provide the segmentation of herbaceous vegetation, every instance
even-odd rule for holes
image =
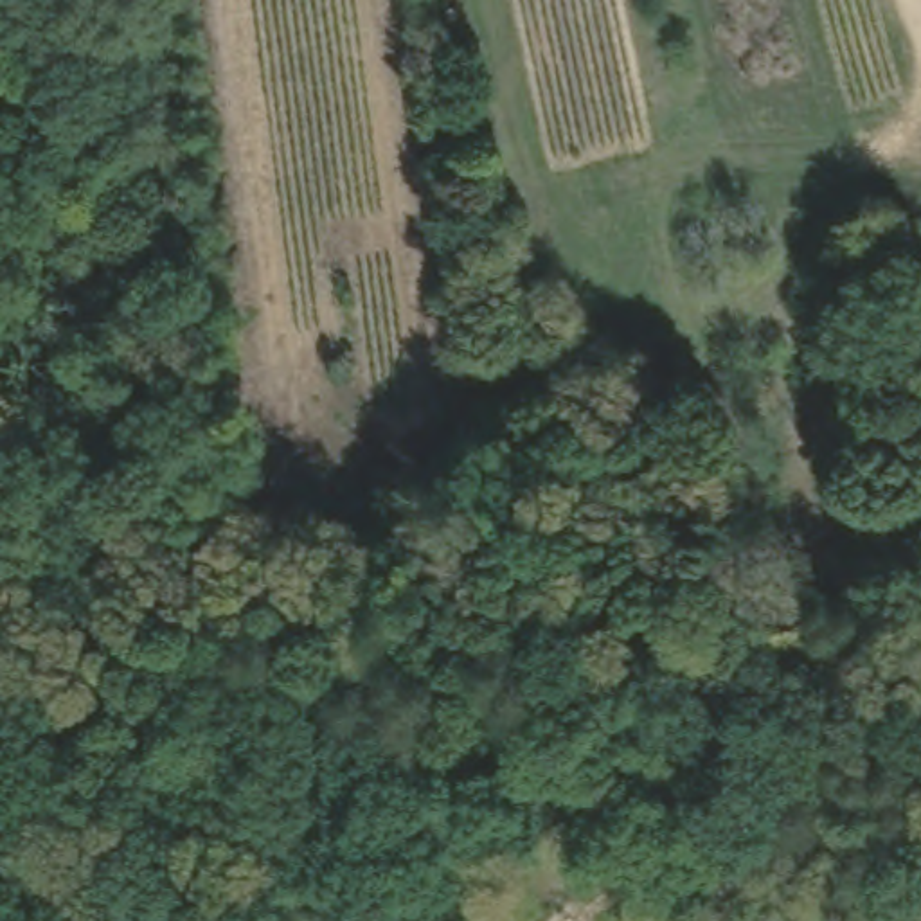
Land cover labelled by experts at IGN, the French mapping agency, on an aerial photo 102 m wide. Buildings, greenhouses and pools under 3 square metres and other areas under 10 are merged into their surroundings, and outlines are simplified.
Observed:
[[[381,385],[374,385],[367,399],[360,403],[356,435],[342,450],[342,461],[327,461],[324,443],[295,439],[291,425],[277,425],[259,410],[255,425],[266,453],[259,461],[255,489],[241,496],[245,511],[266,522],[288,518],[309,529],[335,522],[353,532],[356,547],[381,547],[399,525],[399,507],[392,507],[392,493],[421,496],[432,493],[439,482],[453,482],[464,453],[496,443],[496,428],[486,417],[511,425],[511,414],[518,407],[550,403],[550,389],[558,381],[583,374],[612,374],[630,353],[640,353],[640,367],[655,374],[669,363],[694,367],[698,360],[691,338],[702,331],[709,335],[709,324],[720,309],[788,324],[791,313],[781,302],[777,284],[784,277],[788,259],[795,266],[806,263],[806,252],[831,209],[845,205],[860,191],[899,198],[907,191],[921,201],[921,165],[892,158],[885,165],[867,148],[856,144],[849,130],[849,112],[842,108],[835,86],[835,68],[824,43],[817,0],[777,0],[777,18],[766,29],[752,29],[748,47],[741,54],[730,54],[716,40],[720,25],[734,22],[727,0],[669,0],[673,18],[658,32],[633,14],[651,144],[644,151],[612,155],[583,169],[550,169],[540,151],[525,65],[507,0],[461,0],[468,25],[478,36],[478,54],[493,76],[489,119],[496,137],[496,158],[504,162],[504,176],[514,180],[525,201],[525,223],[540,234],[529,245],[529,263],[518,266],[518,288],[565,284],[583,309],[583,335],[554,360],[518,363],[504,378],[489,381],[443,371],[439,353],[432,345],[435,335],[414,335],[410,335],[399,349],[392,374]],[[766,43],[777,40],[795,43],[802,72],[788,83],[756,86],[752,61],[763,54]],[[759,234],[766,237],[766,252],[730,252],[727,259],[716,259],[720,281],[712,288],[698,288],[680,281],[669,219],[676,216],[673,198],[680,183],[687,176],[709,173],[712,162],[727,162],[727,169],[748,169],[748,205],[763,209]]]

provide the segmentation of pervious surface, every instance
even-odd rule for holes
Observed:
[[[802,72],[795,43],[777,40],[766,43],[763,54],[752,61],[756,86],[788,83]]]
[[[374,158],[381,183],[381,209],[363,216],[363,252],[392,255],[399,324],[410,335],[414,335],[421,317],[421,252],[407,245],[407,216],[417,212],[417,198],[399,169],[403,97],[392,68],[385,65],[389,0],[356,0],[363,47],[353,50],[353,58],[363,61],[367,72]]]
[[[914,94],[903,104],[899,119],[878,130],[874,144],[867,148],[885,165],[892,158],[921,165],[921,0],[896,0],[896,11],[914,47]]]
[[[227,205],[237,223],[237,263],[230,277],[230,295],[234,306],[259,309],[259,320],[234,335],[234,353],[241,367],[241,399],[259,410],[277,425],[291,425],[295,439],[324,443],[327,461],[342,461],[342,450],[356,435],[360,403],[367,399],[360,389],[331,389],[331,381],[324,378],[324,363],[317,356],[317,338],[291,324],[273,162],[266,137],[266,97],[259,86],[248,0],[209,0],[209,29],[216,40],[216,112],[223,122],[227,158]]]
[[[734,22],[720,25],[716,40],[730,54],[741,54],[748,47],[752,29],[766,29],[777,18],[777,0],[727,0]]]

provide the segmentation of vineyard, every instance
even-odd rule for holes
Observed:
[[[507,0],[525,65],[540,151],[550,169],[583,169],[612,155],[644,151],[651,144],[633,14],[630,0]]]
[[[824,43],[835,68],[835,86],[842,108],[849,112],[849,130],[856,144],[867,148],[874,144],[878,130],[899,119],[903,104],[914,94],[914,47],[896,11],[896,0],[817,0]]]
[[[399,349],[410,335],[399,324],[392,255],[363,252],[363,216],[381,209],[381,183],[374,158],[367,72],[363,61],[353,58],[353,50],[363,47],[356,0],[248,0],[259,86],[266,97],[266,137],[273,162],[291,324],[317,338],[317,356],[324,363],[324,378],[331,381],[331,389],[360,389],[367,399],[374,385],[381,385],[392,374]]]

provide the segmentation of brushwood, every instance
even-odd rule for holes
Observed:
[[[669,0],[630,0],[633,14],[658,32],[673,18]]]

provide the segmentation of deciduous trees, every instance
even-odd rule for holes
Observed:
[[[669,363],[655,374],[640,367],[640,353],[630,353],[612,374],[583,374],[558,381],[550,389],[550,403],[518,407],[511,414],[511,425],[486,417],[496,428],[496,443],[464,453],[453,482],[439,482],[432,493],[421,496],[392,493],[392,507],[399,507],[399,525],[381,547],[356,547],[353,532],[335,522],[309,529],[288,518],[266,522],[245,511],[241,496],[255,489],[259,461],[266,453],[255,425],[259,410],[241,399],[241,367],[234,353],[234,335],[259,320],[259,309],[234,306],[230,295],[230,277],[237,263],[237,223],[227,205],[227,158],[223,122],[216,112],[216,40],[209,29],[209,0],[0,0],[0,921],[921,921],[921,201],[907,191],[899,198],[860,191],[845,205],[831,209],[806,252],[806,263],[795,266],[788,259],[784,277],[777,284],[781,302],[791,313],[788,324],[720,309],[709,324],[709,335],[702,331],[691,338],[698,360],[694,367]]]
[[[565,284],[518,288],[518,266],[529,263],[529,245],[540,234],[525,223],[525,201],[514,180],[504,176],[504,162],[496,158],[496,137],[489,119],[493,76],[478,54],[478,36],[468,25],[461,0],[389,0],[385,65],[392,68],[403,97],[399,169],[417,198],[417,212],[407,216],[407,245],[421,252],[421,317],[414,335],[435,335],[432,345],[439,353],[443,371],[489,381],[504,378],[518,363],[554,360],[583,335],[583,309]]]
[[[676,216],[669,219],[680,281],[698,288],[712,288],[720,281],[716,259],[727,259],[730,252],[766,252],[766,237],[759,234],[763,209],[748,205],[748,169],[727,169],[727,162],[712,162],[709,173],[687,176],[680,183],[673,198]]]

